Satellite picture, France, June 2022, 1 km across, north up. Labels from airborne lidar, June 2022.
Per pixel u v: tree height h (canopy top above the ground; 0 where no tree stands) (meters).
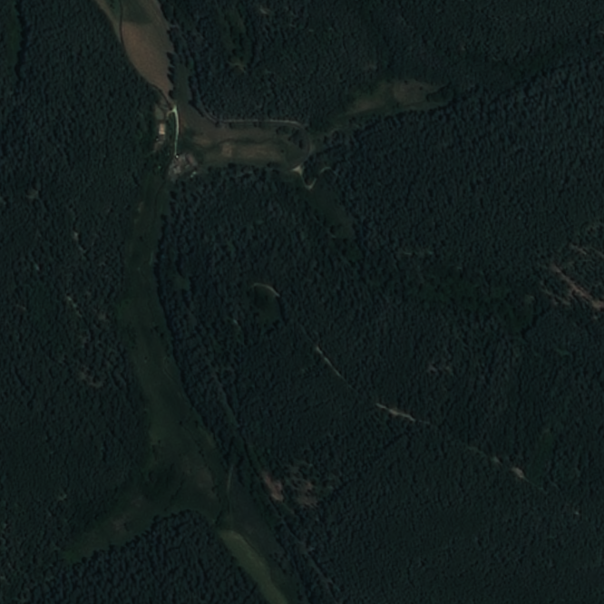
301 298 28
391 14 17
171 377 0
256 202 16
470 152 26
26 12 34
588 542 17
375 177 27
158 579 31
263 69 20
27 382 32
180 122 0
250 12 16
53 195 21
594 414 23
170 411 0
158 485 11
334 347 20
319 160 7
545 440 7
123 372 34
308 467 9
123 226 28
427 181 26
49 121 25
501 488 24
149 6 0
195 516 31
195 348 32
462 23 20
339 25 21
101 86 25
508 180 27
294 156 0
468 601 17
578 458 24
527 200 22
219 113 12
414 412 21
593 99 28
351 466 15
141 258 0
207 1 25
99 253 24
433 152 26
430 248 24
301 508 26
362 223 32
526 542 20
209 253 19
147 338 0
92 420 30
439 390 23
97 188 21
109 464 27
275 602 0
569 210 25
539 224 22
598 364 28
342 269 21
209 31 26
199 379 24
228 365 11
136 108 26
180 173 6
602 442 19
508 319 17
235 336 19
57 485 20
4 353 25
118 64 24
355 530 28
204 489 0
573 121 27
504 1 16
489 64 25
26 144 24
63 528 30
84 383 8
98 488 29
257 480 17
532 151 23
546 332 27
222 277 36
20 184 19
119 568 29
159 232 0
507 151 25
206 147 0
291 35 21
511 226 21
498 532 22
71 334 19
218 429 27
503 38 24
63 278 28
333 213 0
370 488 26
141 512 0
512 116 24
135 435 26
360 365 19
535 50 30
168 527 29
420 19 15
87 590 29
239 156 0
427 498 26
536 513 20
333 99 26
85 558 0
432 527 23
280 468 23
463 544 21
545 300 22
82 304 30
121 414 30
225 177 13
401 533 24
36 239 22
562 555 20
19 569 25
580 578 13
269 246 27
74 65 25
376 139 20
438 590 22
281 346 22
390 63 7
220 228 12
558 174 30
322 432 24
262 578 0
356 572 24
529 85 31
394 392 21
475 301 6
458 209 22
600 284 24
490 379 21
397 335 27
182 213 18
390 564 26
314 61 14
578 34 25
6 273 25
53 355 27
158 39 0
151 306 0
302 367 16
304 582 8
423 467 27
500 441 20
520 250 19
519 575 22
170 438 0
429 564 21
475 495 27
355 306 27
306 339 24
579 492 21
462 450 27
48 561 21
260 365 21
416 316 26
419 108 0
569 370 18
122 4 0
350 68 17
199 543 18
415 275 19
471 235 24
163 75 0
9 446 26
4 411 30
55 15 25
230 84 20
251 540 0
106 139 18
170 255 19
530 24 24
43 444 22
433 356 22
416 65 19
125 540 0
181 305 32
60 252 20
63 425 30
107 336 25
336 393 21
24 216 26
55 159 26
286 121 17
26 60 34
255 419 23
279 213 28
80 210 22
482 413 21
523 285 19
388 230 25
